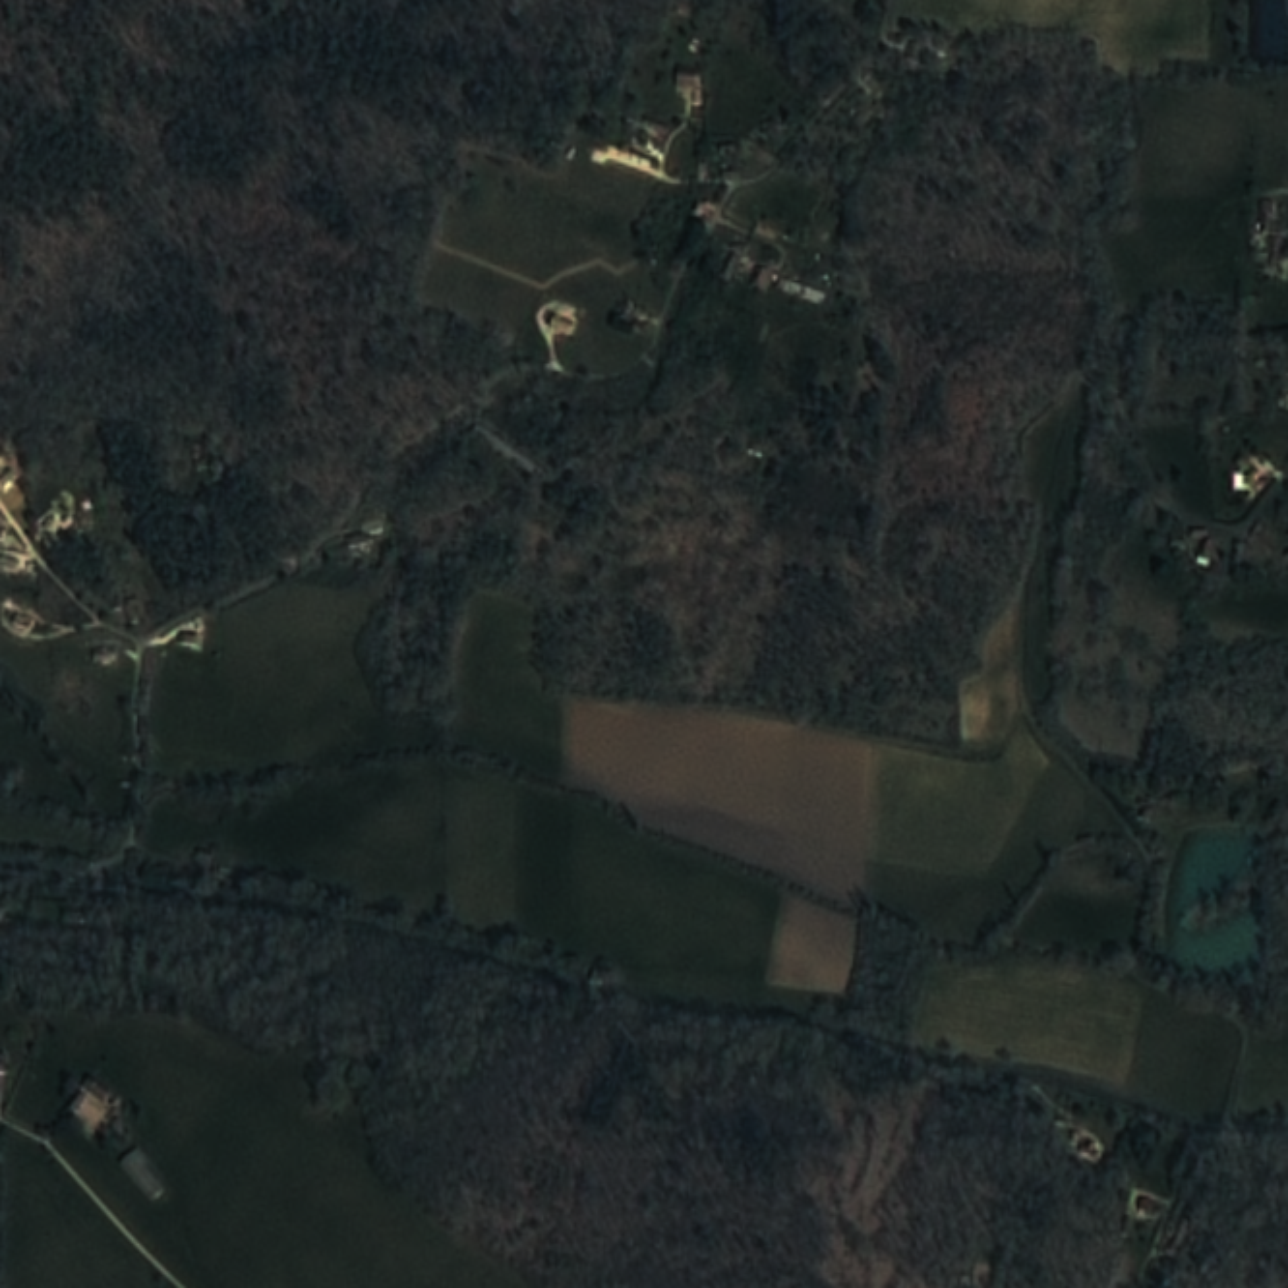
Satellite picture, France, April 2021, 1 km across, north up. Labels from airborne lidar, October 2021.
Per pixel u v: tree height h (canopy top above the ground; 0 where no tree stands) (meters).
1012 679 0
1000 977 0
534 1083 18
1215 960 0
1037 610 0
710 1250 22
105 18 16
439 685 18
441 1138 14
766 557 25
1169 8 0
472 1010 21
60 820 20
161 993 7
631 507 19
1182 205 0
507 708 0
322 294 8
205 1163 0
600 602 20
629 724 0
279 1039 15
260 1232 0
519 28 19
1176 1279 21
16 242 25
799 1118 19
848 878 0
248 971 18
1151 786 15
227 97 19
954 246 15
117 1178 0
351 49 16
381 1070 18
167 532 23
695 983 0
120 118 16
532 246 0
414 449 9
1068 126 17
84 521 0
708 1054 22
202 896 21
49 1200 0
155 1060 0
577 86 14
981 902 0
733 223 0
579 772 0
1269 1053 0
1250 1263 14
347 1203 0
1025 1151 25
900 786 0
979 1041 0
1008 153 24
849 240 19
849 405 14
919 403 11
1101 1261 22
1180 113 0
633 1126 18
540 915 0
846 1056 20
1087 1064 0
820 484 0
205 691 0
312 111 15
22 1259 0
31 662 0
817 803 0
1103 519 10
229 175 28
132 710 12
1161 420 11
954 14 0
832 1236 13
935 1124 18
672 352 9
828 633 25
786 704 12
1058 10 0
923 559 19
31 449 20
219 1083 0
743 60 0
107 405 28
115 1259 0
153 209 19
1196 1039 0
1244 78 11
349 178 14
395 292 20
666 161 0
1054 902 0
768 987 0
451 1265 0
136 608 6
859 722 9
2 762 0
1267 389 12
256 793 15
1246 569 9
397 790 0
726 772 0
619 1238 11
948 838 0
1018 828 0
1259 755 18
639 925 0
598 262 0
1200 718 21
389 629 20
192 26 30
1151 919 9
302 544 21
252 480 24
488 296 0
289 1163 0
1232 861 0
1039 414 13
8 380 18
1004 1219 18
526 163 13
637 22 19
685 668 21
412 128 18
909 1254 13
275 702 0
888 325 14
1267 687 15
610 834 0
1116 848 6
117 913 18
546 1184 8
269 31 17
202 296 26
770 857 0
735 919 0
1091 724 0
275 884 15
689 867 0
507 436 6
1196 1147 16
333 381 17
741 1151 25
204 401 26
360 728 0
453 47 15
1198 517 0
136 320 24
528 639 0
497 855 0
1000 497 16
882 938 8
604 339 0
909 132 11
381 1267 0
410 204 25
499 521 25
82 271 21
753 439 7
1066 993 0
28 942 19
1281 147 0
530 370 12
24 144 18
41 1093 0
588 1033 23
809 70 14
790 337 0
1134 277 0
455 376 18
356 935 22
